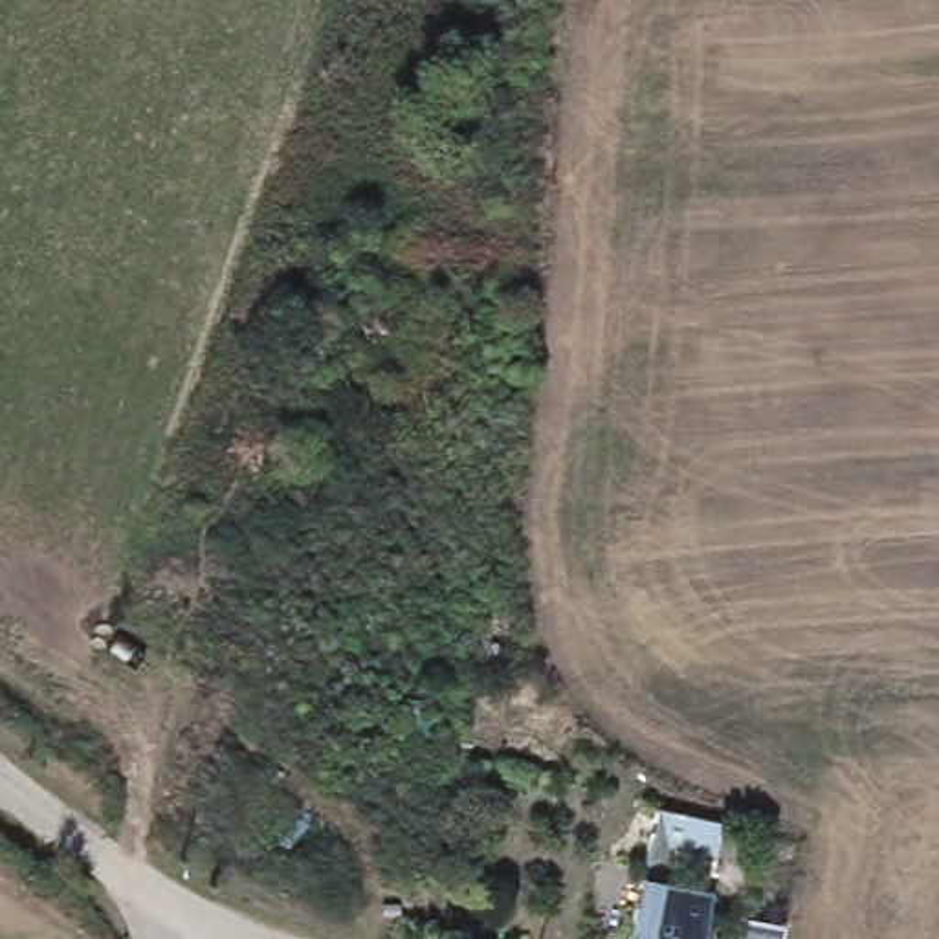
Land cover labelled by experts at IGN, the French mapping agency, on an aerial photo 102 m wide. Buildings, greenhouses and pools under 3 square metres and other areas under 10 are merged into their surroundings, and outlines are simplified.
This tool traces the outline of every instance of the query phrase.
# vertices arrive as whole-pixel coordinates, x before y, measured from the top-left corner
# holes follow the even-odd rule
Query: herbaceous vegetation
[[[734,814],[752,814],[770,825],[770,836],[778,844],[774,862],[741,873],[741,880],[763,884],[763,895],[785,895],[789,902],[803,888],[811,866],[811,836],[803,829],[781,825],[781,811],[767,792],[712,792],[668,770],[657,756],[638,752],[631,763],[635,774],[646,785],[642,803],[649,811],[664,811],[719,825]]]
[[[37,763],[29,774],[62,807],[81,811],[88,822],[103,825],[106,840],[114,840],[125,822],[125,781],[95,789],[81,770],[73,770],[62,759]]]
[[[165,657],[176,668],[191,671],[202,657],[191,624],[213,598],[209,580],[227,580],[227,565],[220,565],[213,554],[198,554],[198,569],[187,576],[161,569],[139,591],[121,583],[121,591],[110,602],[110,631],[132,631],[147,642],[150,657]]]
[[[565,675],[550,704],[576,719],[576,741],[609,745],[616,737],[613,726],[591,708],[583,690]]]
[[[389,939],[396,921],[381,917],[385,906],[367,906],[352,921],[330,921],[319,910],[275,895],[242,873],[227,873],[224,884],[209,888],[209,866],[198,855],[176,862],[176,855],[150,833],[147,862],[172,884],[216,906],[227,906],[257,924],[301,939]]]

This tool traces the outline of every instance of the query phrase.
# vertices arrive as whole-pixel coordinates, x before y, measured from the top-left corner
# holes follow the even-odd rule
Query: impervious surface
[[[114,913],[121,917],[132,939],[301,939],[257,924],[227,906],[216,906],[172,884],[147,862],[125,855],[114,840],[106,840],[103,825],[88,822],[81,811],[62,807],[29,774],[18,767],[0,756],[0,836],[11,847],[26,851],[33,862],[73,858],[81,877],[95,869],[99,884],[114,902]]]
[[[613,851],[627,851],[646,851],[657,844],[653,825],[664,811],[649,811],[635,814],[627,833],[609,840]]]

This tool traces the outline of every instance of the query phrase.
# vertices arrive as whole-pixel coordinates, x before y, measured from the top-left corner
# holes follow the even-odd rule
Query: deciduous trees
[[[770,836],[770,825],[752,814],[734,814],[719,825],[723,836],[737,847],[741,873],[774,862],[778,844]]]

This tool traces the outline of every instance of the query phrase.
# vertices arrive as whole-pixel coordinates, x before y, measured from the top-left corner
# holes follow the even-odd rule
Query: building
[[[653,825],[657,844],[646,851],[653,866],[664,866],[668,855],[682,844],[697,844],[708,851],[723,844],[723,836],[719,825],[664,811]]]
[[[785,924],[748,921],[745,939],[789,939]]]
[[[704,891],[682,891],[679,884],[649,880],[642,888],[642,906],[635,910],[635,939],[712,939],[715,906],[726,891],[715,880]]]

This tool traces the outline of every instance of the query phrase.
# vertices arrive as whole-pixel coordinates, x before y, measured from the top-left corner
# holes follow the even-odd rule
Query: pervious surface
[[[514,796],[503,851],[514,862],[554,862],[561,869],[565,899],[554,917],[514,910],[514,928],[492,932],[473,917],[473,910],[422,906],[422,899],[392,895],[378,869],[363,877],[367,906],[385,906],[381,917],[396,921],[403,913],[422,928],[455,932],[458,939],[576,939],[583,895],[591,891],[598,899],[602,921],[613,928],[609,939],[635,939],[635,910],[642,906],[642,888],[649,880],[631,880],[627,851],[613,851],[609,840],[627,833],[635,814],[649,811],[642,803],[646,785],[635,774],[624,778],[616,792],[602,796],[598,803],[587,800],[583,789],[569,785],[572,818],[561,822],[558,840],[547,833],[543,818],[532,818],[532,803],[539,803],[539,796]]]
[[[470,741],[477,759],[510,759],[572,781],[576,770],[561,759],[561,748],[576,741],[576,719],[550,704],[543,704],[536,697],[536,686],[528,682],[506,697],[481,697]]]
[[[194,763],[213,756],[220,730],[231,719],[231,682],[194,675],[194,697],[180,715],[176,734],[169,734],[158,748],[147,730],[132,726],[121,737],[121,745],[128,745],[132,756],[121,763],[125,781],[125,822],[114,840],[125,855],[147,862],[150,833],[150,822],[158,814],[176,814],[187,807]]]
[[[741,880],[741,873],[737,847],[723,836],[723,844],[708,851],[715,880],[726,891],[734,891]]]
[[[26,759],[26,734],[0,719],[0,756],[18,767]]]

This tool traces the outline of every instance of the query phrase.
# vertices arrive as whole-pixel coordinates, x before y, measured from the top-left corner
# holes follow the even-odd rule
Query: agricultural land
[[[73,858],[33,862],[26,851],[11,847],[0,836],[0,939],[132,939],[121,917],[114,913],[114,902],[99,884],[95,869],[81,877]]]
[[[583,690],[591,708],[613,726],[616,737],[638,752],[657,756],[668,770],[712,792],[767,792],[781,811],[781,825],[803,829],[811,836],[811,866],[803,888],[789,902],[785,924],[789,939],[939,939],[939,0],[561,0],[561,15],[554,18],[550,33],[558,48],[550,59],[550,81],[561,84],[561,95],[547,99],[543,110],[550,132],[543,139],[543,260],[536,268],[547,282],[550,359],[543,385],[536,389],[536,466],[532,492],[521,510],[532,550],[536,631],[550,653],[550,664],[565,675]]]
[[[158,748],[169,734],[176,734],[180,715],[194,697],[194,675],[191,671],[176,668],[165,657],[150,657],[147,642],[132,631],[110,631],[110,602],[121,591],[121,583],[128,532],[139,525],[158,484],[180,484],[176,473],[161,473],[165,447],[169,436],[180,429],[187,400],[198,385],[213,326],[224,308],[224,293],[231,286],[231,271],[257,216],[260,191],[268,176],[279,169],[279,147],[301,106],[304,73],[315,59],[323,0],[0,0],[0,679],[22,690],[40,712],[62,719],[88,719],[95,730],[106,734],[121,763],[132,756],[128,745],[121,745],[121,737],[132,726],[147,730]]]

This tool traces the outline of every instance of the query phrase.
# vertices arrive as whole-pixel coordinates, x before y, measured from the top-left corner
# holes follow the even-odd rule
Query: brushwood
[[[458,939],[455,932],[422,928],[403,913],[396,921],[389,939]]]
[[[18,767],[29,774],[37,763],[62,759],[73,770],[81,770],[95,789],[125,781],[121,763],[106,734],[95,730],[88,719],[62,719],[40,712],[22,690],[0,679],[0,719],[26,734],[26,759]]]
[[[550,359],[547,282],[536,268],[543,260],[543,139],[550,132],[543,110],[547,99],[561,95],[561,84],[550,81],[550,59],[558,48],[550,33],[554,18],[561,15],[561,0],[323,0],[315,59],[304,73],[301,106],[279,147],[279,169],[268,176],[260,191],[257,216],[231,271],[231,286],[224,293],[224,308],[213,326],[198,385],[187,400],[180,429],[169,436],[165,447],[161,473],[176,473],[180,484],[158,484],[139,525],[128,532],[121,583],[139,591],[161,569],[187,576],[198,569],[198,554],[213,554],[220,565],[227,565],[227,580],[209,580],[213,598],[191,624],[202,657],[191,671],[194,675],[231,682],[231,719],[220,730],[213,756],[194,763],[187,807],[176,814],[158,814],[150,822],[150,833],[176,855],[176,862],[198,855],[209,866],[209,888],[224,884],[227,873],[242,873],[275,895],[319,910],[330,921],[352,921],[367,906],[363,877],[378,869],[392,895],[422,899],[422,906],[473,910],[473,917],[492,932],[514,928],[514,910],[554,917],[565,899],[561,869],[554,862],[514,862],[503,851],[514,796],[539,796],[539,803],[532,803],[532,818],[543,818],[547,833],[558,840],[561,822],[572,818],[569,785],[583,789],[587,800],[598,803],[602,796],[616,792],[624,778],[635,774],[631,763],[638,752],[616,737],[609,745],[576,741],[561,748],[561,759],[576,770],[572,781],[510,759],[477,759],[470,741],[481,697],[506,697],[528,682],[536,686],[536,697],[543,704],[550,704],[565,675],[550,664],[550,653],[536,631],[532,550],[521,510],[532,492],[536,466],[536,389],[543,385]]]
[[[576,939],[609,939],[613,928],[602,921],[598,899],[591,891],[583,895]]]
[[[646,851],[627,851],[631,880],[649,880],[679,884],[682,891],[704,891],[715,880],[708,851],[697,844],[682,844],[668,855],[664,866],[653,866]]]
[[[789,902],[785,895],[763,895],[763,884],[741,880],[734,891],[726,891],[715,906],[712,939],[745,939],[748,921],[785,924]]]

